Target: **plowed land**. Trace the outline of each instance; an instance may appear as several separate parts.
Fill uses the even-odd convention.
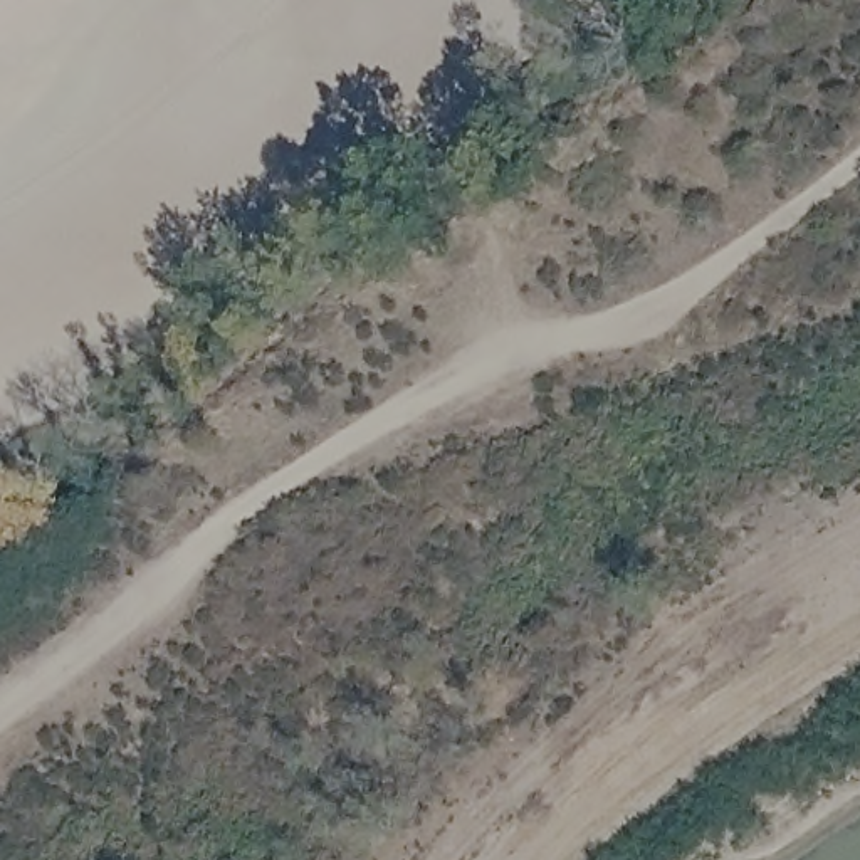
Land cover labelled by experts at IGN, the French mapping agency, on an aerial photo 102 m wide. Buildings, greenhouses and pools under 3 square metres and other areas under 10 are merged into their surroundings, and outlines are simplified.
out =
[[[773,719],[779,709],[803,702],[806,695],[816,702],[830,679],[840,679],[847,669],[860,662],[860,490],[843,490],[826,501],[813,490],[800,490],[800,484],[806,484],[806,474],[793,474],[773,480],[769,494],[753,494],[739,501],[732,511],[716,511],[705,524],[736,534],[736,544],[722,548],[716,558],[726,568],[726,574],[692,591],[682,605],[662,601],[652,611],[652,625],[638,628],[618,658],[585,662],[585,695],[571,705],[564,719],[544,729],[527,729],[521,722],[514,729],[504,729],[490,746],[474,753],[467,776],[447,779],[447,793],[457,806],[430,806],[420,826],[400,830],[396,836],[376,833],[370,840],[376,860],[585,860],[588,847],[611,840],[632,816],[645,813],[662,796],[669,796],[675,783],[692,779],[699,763],[756,736],[759,726]]]

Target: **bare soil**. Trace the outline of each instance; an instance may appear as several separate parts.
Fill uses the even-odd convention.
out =
[[[722,847],[719,860],[796,860],[826,836],[823,826],[840,830],[860,816],[860,769],[847,769],[843,783],[820,779],[816,800],[769,793],[756,796],[756,806],[769,816],[769,830],[753,836],[742,850]]]
[[[373,138],[390,138],[390,144],[427,141],[430,148],[457,144],[467,134],[467,111],[477,104],[480,94],[474,54],[480,50],[480,40],[497,40],[511,47],[514,60],[527,57],[527,47],[521,44],[521,7],[514,0],[0,0],[0,437],[27,423],[40,423],[47,410],[57,410],[57,417],[77,413],[74,403],[87,396],[87,376],[101,380],[101,370],[111,370],[114,376],[121,376],[124,363],[138,363],[138,356],[128,346],[128,326],[148,323],[158,292],[168,286],[168,269],[181,262],[195,239],[212,235],[212,228],[218,225],[232,225],[235,232],[262,232],[265,215],[279,212],[282,205],[296,205],[302,212],[309,198],[302,195],[302,181],[336,165],[346,155],[346,148],[359,148]]]

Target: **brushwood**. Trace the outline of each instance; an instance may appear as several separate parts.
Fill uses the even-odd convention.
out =
[[[403,329],[400,323],[383,323],[383,336],[390,346],[396,346],[396,353],[430,353],[427,336]]]
[[[578,386],[571,393],[568,413],[554,410],[551,393],[561,380],[554,366],[538,370],[534,376],[538,420],[527,427],[464,437],[447,433],[443,450],[430,454],[423,464],[406,464],[396,457],[386,467],[366,464],[353,477],[336,474],[312,477],[272,497],[262,511],[245,517],[239,524],[235,541],[225,544],[202,574],[198,608],[181,618],[185,638],[168,638],[168,652],[181,655],[185,662],[181,669],[168,669],[161,658],[148,662],[144,682],[158,689],[161,699],[138,699],[138,709],[144,709],[144,722],[131,722],[121,705],[108,705],[104,726],[84,726],[91,746],[74,746],[74,712],[64,712],[60,722],[44,722],[37,729],[40,746],[24,759],[24,766],[10,773],[7,786],[0,789],[0,860],[343,860],[343,853],[333,843],[316,843],[309,836],[312,823],[306,820],[306,813],[312,813],[312,803],[319,796],[309,793],[309,779],[323,766],[323,759],[343,749],[339,729],[349,709],[359,716],[370,712],[376,719],[390,716],[393,692],[380,689],[373,679],[386,669],[390,679],[403,682],[403,665],[410,662],[403,638],[417,635],[420,642],[440,645],[447,638],[454,645],[454,662],[447,662],[447,682],[454,689],[467,689],[470,675],[484,675],[487,669],[507,679],[521,679],[524,685],[521,695],[507,702],[504,716],[484,726],[467,726],[464,709],[447,705],[433,689],[423,692],[417,709],[433,712],[433,722],[427,726],[427,749],[440,753],[443,746],[470,746],[474,753],[490,746],[504,729],[514,729],[521,722],[527,729],[544,729],[564,719],[571,705],[585,695],[585,662],[618,658],[638,628],[652,625],[652,611],[662,601],[682,605],[692,591],[726,574],[726,568],[716,558],[722,548],[736,544],[736,534],[705,524],[716,511],[732,511],[739,501],[753,494],[769,494],[773,480],[793,474],[806,474],[806,484],[800,484],[800,490],[813,490],[826,501],[843,490],[860,490],[860,299],[847,316],[826,316],[820,326],[796,326],[793,339],[756,336],[742,346],[699,356],[692,366],[675,366],[669,376],[658,376],[648,390],[638,390],[635,383]]]
[[[574,306],[585,312],[601,309],[601,289],[625,286],[625,262],[632,255],[645,255],[645,242],[642,235],[608,235],[601,225],[591,225],[588,235],[568,242],[564,259],[544,259],[538,265],[538,279],[544,289],[558,286],[558,272],[568,275]]]
[[[282,329],[259,329],[249,359],[198,403],[205,417],[218,410],[222,400],[242,383],[286,383],[289,396],[275,400],[279,413],[299,413],[316,406],[309,373],[323,373],[326,383],[336,386],[343,363],[309,356],[309,339],[319,329],[329,329],[343,319],[356,329],[356,336],[370,336],[370,309],[349,302],[346,296],[339,296],[333,282],[319,282],[319,292],[302,309],[302,319],[289,319],[289,312],[282,312]]]
[[[628,114],[608,121],[611,141],[605,151],[591,144],[595,158],[571,168],[568,202],[591,212],[611,212],[618,198],[632,191],[628,168],[645,114]]]
[[[716,97],[726,91],[736,101],[736,114],[732,131],[719,144],[719,158],[729,168],[729,178],[769,178],[773,195],[779,202],[806,188],[816,175],[823,175],[830,165],[843,158],[843,151],[860,144],[860,0],[726,0],[722,20],[716,24],[712,37],[716,44],[739,40],[739,57],[716,81],[695,87],[679,81],[658,101],[669,111],[685,111],[695,121],[712,121]]]
[[[124,457],[97,454],[94,467],[67,467],[57,477],[57,487],[44,524],[30,527],[20,541],[0,544],[0,675],[10,669],[13,658],[34,655],[50,635],[64,632],[84,611],[87,588],[118,581],[134,578],[134,571],[151,558],[151,531],[138,517],[138,511],[155,507],[161,521],[168,521],[175,514],[178,497],[195,494],[205,474],[198,467],[141,457]]]
[[[652,185],[652,198],[662,205],[675,205],[682,225],[692,228],[699,215],[722,218],[722,202],[716,191],[685,188],[679,181],[658,178]]]
[[[675,50],[679,74],[689,67],[702,67],[709,37]]]
[[[363,393],[363,376],[349,373],[349,396],[343,400],[343,410],[353,417],[373,406]]]

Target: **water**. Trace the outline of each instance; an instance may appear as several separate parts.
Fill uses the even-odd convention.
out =
[[[823,826],[826,836],[796,860],[860,860],[860,816],[840,830]]]

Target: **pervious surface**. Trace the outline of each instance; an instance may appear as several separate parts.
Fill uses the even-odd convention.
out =
[[[17,719],[37,712],[54,692],[60,692],[97,658],[134,638],[151,621],[171,611],[178,611],[181,618],[198,608],[202,574],[225,544],[235,541],[239,524],[245,517],[262,511],[272,497],[312,477],[336,474],[353,454],[366,450],[390,430],[423,423],[430,410],[457,396],[467,396],[467,403],[480,403],[501,383],[504,373],[534,376],[538,370],[554,366],[571,353],[621,349],[662,336],[722,279],[729,279],[749,255],[763,252],[769,235],[789,232],[810,212],[810,205],[830,198],[847,181],[860,178],[860,144],[843,151],[843,158],[830,165],[823,175],[816,175],[806,188],[779,202],[779,208],[773,208],[763,222],[756,222],[749,232],[732,239],[705,262],[669,279],[665,286],[655,286],[618,306],[601,309],[585,312],[548,319],[544,312],[531,309],[521,299],[517,282],[511,279],[504,242],[484,242],[484,249],[467,262],[477,275],[470,302],[474,316],[464,326],[464,339],[470,346],[454,353],[447,363],[420,373],[413,386],[393,393],[386,403],[373,406],[353,417],[349,427],[309,447],[282,470],[262,477],[239,497],[228,497],[202,527],[181,538],[178,548],[171,548],[161,558],[151,558],[134,571],[134,578],[118,581],[118,595],[101,611],[84,611],[64,632],[50,635],[34,655],[13,658],[10,669],[0,675],[0,732],[7,732]]]

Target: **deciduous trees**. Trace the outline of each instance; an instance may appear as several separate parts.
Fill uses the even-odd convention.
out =
[[[34,470],[34,477],[20,477],[0,464],[0,544],[20,541],[30,527],[44,524],[57,487],[44,477],[44,470]]]
[[[353,759],[343,749],[323,759],[323,766],[309,779],[309,793],[319,796],[312,803],[312,813],[306,813],[306,820],[312,823],[343,823],[353,820],[353,813],[359,813],[359,806],[366,806],[383,823],[386,800],[400,800],[393,766],[380,766],[376,759]]]
[[[124,363],[121,376],[114,376],[111,370],[101,370],[101,380],[87,376],[87,396],[74,403],[77,413],[121,420],[128,440],[124,457],[141,457],[144,443],[158,440],[161,433],[185,437],[191,430],[202,430],[208,423],[205,417],[198,403],[249,359],[259,329],[282,329],[282,312],[289,312],[289,319],[302,319],[302,309],[319,292],[319,282],[333,282],[339,296],[346,296],[359,279],[390,279],[403,265],[410,265],[413,249],[440,259],[450,218],[484,215],[490,205],[514,198],[517,191],[531,191],[531,181],[548,185],[554,175],[551,155],[558,148],[558,138],[581,131],[574,101],[601,87],[605,77],[621,77],[635,71],[642,91],[652,101],[658,101],[679,81],[679,74],[675,50],[709,37],[712,37],[716,24],[722,20],[726,0],[514,0],[521,7],[521,44],[527,47],[527,57],[514,60],[511,47],[497,40],[480,40],[480,50],[474,54],[480,94],[477,104],[467,111],[467,134],[457,144],[430,148],[427,141],[390,144],[390,138],[373,138],[359,148],[346,148],[346,155],[336,165],[302,181],[302,195],[309,198],[302,212],[296,205],[282,205],[279,212],[265,215],[262,232],[235,232],[232,225],[218,225],[212,228],[212,235],[195,239],[181,262],[168,269],[168,286],[158,292],[148,323],[128,326],[128,346],[138,356],[138,363]]]
[[[769,816],[756,806],[756,796],[769,793],[816,800],[820,779],[843,783],[847,769],[860,769],[860,662],[847,669],[840,679],[830,679],[816,702],[793,732],[756,736],[699,763],[692,779],[675,783],[669,796],[662,796],[645,813],[632,816],[611,840],[588,847],[585,860],[719,860],[722,847],[742,850],[753,836],[769,830]]]

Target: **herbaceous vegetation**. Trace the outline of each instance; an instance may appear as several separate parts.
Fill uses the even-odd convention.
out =
[[[689,67],[679,74],[679,81],[695,87],[716,81],[739,57],[739,40],[716,44],[712,37],[709,37],[702,67]]]
[[[511,279],[517,282],[521,299],[531,309],[544,312],[548,319],[585,312],[574,306],[568,275],[558,272],[558,286],[544,289],[538,279],[538,265],[544,259],[564,259],[568,242],[588,235],[591,225],[601,225],[608,235],[642,235],[645,242],[645,255],[632,255],[625,262],[625,286],[601,289],[601,309],[618,306],[655,286],[665,286],[669,279],[705,262],[732,239],[749,232],[756,222],[763,222],[773,208],[779,208],[779,202],[773,195],[769,178],[729,178],[729,168],[719,158],[719,144],[732,131],[736,114],[736,101],[726,91],[716,97],[712,121],[695,121],[685,111],[669,111],[658,101],[652,101],[642,91],[635,71],[621,77],[605,77],[601,87],[574,101],[581,131],[558,138],[558,148],[551,155],[554,175],[548,185],[531,181],[531,191],[517,191],[514,198],[490,205],[484,215],[450,218],[440,259],[413,249],[410,265],[403,265],[390,279],[359,279],[346,296],[349,302],[370,309],[370,336],[356,336],[356,329],[343,319],[329,329],[319,329],[309,339],[309,356],[343,363],[336,386],[326,383],[323,373],[309,373],[316,406],[299,413],[279,413],[275,400],[289,396],[286,383],[242,383],[222,400],[218,410],[205,417],[208,423],[202,430],[191,430],[185,437],[161,433],[158,440],[144,443],[141,457],[198,467],[205,474],[195,494],[178,497],[175,514],[168,521],[161,521],[155,507],[138,511],[138,517],[151,531],[151,558],[161,558],[171,548],[178,548],[181,538],[202,527],[228,497],[239,497],[262,477],[282,470],[309,447],[349,427],[353,417],[343,410],[343,400],[349,396],[349,373],[363,376],[363,393],[373,406],[386,403],[393,393],[413,386],[420,373],[447,363],[454,353],[470,346],[464,339],[464,326],[474,316],[470,302],[477,275],[467,262],[484,249],[484,242],[504,242]],[[628,114],[645,114],[628,168],[632,191],[618,198],[611,212],[591,212],[568,202],[571,168],[595,158],[591,144],[605,151],[611,141],[608,121]],[[682,225],[675,205],[662,205],[652,198],[652,185],[658,178],[679,181],[685,188],[716,191],[722,202],[722,218],[699,215],[692,228]],[[383,336],[383,323],[400,323],[403,329],[427,336],[430,353],[396,353],[396,346],[390,346]]]
[[[501,383],[480,403],[467,403],[467,396],[457,396],[430,410],[423,423],[390,430],[366,450],[353,454],[336,474],[353,477],[366,464],[386,467],[396,457],[406,464],[423,464],[430,454],[443,450],[447,433],[464,437],[527,427],[538,420],[534,376],[504,373]]]
[[[806,695],[803,702],[779,709],[773,719],[759,726],[756,736],[793,732],[816,702]]]
[[[84,611],[101,611],[118,595],[118,581],[87,588]]]
[[[57,417],[57,410],[47,410],[40,423],[27,423],[0,437],[0,464],[20,477],[34,477],[34,470],[44,470],[44,477],[57,487],[57,477],[67,467],[94,467],[97,454],[124,457],[128,440],[121,420],[77,413]]]
[[[161,699],[158,689],[144,682],[148,662],[161,658],[168,669],[181,669],[185,662],[181,655],[168,652],[168,638],[185,638],[181,618],[178,611],[171,611],[151,621],[134,638],[97,658],[60,692],[54,692],[37,712],[17,719],[7,732],[0,732],[0,789],[7,786],[10,773],[24,766],[24,759],[40,746],[37,729],[44,722],[60,722],[64,712],[74,712],[74,746],[91,746],[84,726],[104,726],[108,705],[121,705],[131,722],[144,722],[144,709],[138,709],[138,699]]]
[[[403,682],[390,679],[386,669],[373,679],[380,689],[393,692],[390,716],[376,719],[370,712],[359,716],[349,709],[339,729],[343,749],[353,759],[376,759],[380,766],[393,766],[400,800],[386,800],[383,823],[366,806],[359,806],[359,813],[353,813],[353,820],[343,823],[312,823],[309,836],[316,843],[333,843],[343,853],[343,860],[376,860],[370,840],[376,833],[396,836],[400,830],[420,826],[430,806],[457,806],[447,793],[447,779],[467,776],[474,753],[470,746],[443,746],[440,753],[427,749],[427,726],[433,722],[433,712],[417,709],[423,692],[433,689],[447,705],[464,709],[467,726],[484,726],[504,716],[507,702],[521,695],[524,685],[521,679],[507,679],[487,669],[484,675],[470,675],[467,689],[454,689],[447,682],[447,662],[454,662],[454,645],[447,638],[440,645],[420,642],[417,635],[403,638],[410,662],[403,665]]]
[[[568,413],[571,393],[578,386],[635,383],[638,390],[648,390],[658,376],[669,376],[675,366],[692,366],[699,356],[742,346],[756,336],[793,339],[796,326],[820,326],[826,316],[847,316],[860,299],[860,178],[847,181],[830,198],[810,205],[810,212],[789,232],[769,235],[763,252],[749,255],[729,279],[722,279],[662,336],[621,349],[571,353],[554,366],[561,380],[551,393],[554,410]]]

